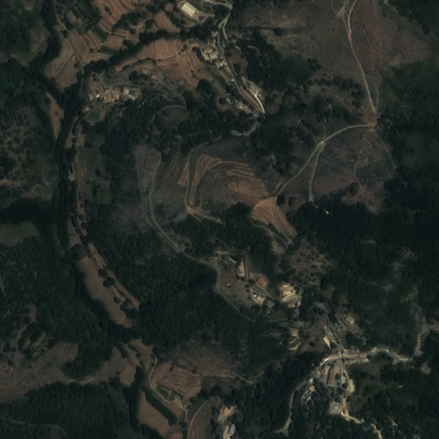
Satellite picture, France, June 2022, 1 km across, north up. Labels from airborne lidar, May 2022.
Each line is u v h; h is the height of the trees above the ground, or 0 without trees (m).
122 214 0
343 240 18
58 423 10
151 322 7
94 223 11
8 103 15
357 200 0
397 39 0
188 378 0
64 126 18
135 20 14
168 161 10
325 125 0
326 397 11
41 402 11
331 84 10
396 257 17
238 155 0
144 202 0
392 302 0
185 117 0
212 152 0
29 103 11
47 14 25
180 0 0
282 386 12
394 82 0
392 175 0
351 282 12
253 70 16
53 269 11
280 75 14
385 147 0
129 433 0
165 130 9
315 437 12
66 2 14
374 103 0
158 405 15
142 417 0
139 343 0
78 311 14
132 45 13
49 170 0
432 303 10
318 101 10
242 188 0
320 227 20
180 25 8
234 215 10
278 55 12
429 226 18
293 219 8
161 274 10
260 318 10
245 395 7
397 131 10
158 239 7
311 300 14
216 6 8
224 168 0
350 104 0
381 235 17
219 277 0
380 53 0
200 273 12
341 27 0
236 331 10
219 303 6
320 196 0
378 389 0
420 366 15
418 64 0
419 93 13
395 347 7
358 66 0
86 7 0
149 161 0
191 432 0
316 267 9
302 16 0
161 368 0
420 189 23
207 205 0
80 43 0
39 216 13
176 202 0
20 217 20
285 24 0
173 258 8
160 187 0
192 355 0
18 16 0
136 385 16
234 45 11
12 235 0
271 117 9
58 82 0
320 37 0
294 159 10
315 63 10
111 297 0
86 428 8
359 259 12
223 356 0
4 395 0
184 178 0
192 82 0
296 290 13
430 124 14
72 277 13
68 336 15
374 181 0
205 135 10
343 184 0
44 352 9
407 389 9
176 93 0
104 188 9
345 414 0
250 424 9
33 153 6
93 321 16
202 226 9
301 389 0
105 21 0
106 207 12
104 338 10
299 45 0
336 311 13
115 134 13
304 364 15
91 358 15
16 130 6
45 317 12
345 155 0
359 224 18
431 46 0
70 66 0
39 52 9
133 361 0
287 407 11
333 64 0
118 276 10
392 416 11
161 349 9
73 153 11
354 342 9
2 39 9
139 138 10
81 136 0
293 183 0
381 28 0
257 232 12
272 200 0
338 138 0
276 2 10
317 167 0
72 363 11
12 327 16
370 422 12
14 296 9
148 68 0
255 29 11
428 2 10
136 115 6
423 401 18
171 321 12
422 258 15
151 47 0
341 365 0
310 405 7
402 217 17
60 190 10
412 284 0
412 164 0
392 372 15
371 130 0
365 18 0
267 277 0
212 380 0
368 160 0
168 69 0
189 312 12
